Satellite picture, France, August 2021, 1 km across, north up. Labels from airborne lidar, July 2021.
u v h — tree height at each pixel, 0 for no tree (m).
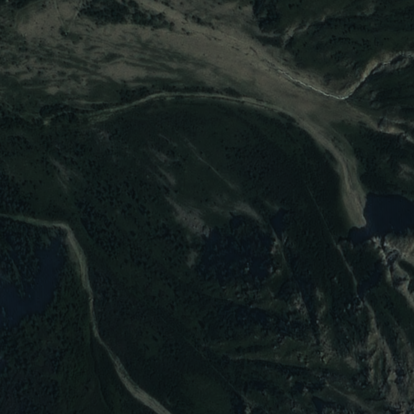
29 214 24
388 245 0
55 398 8
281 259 8
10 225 12
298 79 0
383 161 0
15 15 0
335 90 0
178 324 6
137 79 0
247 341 0
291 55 0
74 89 0
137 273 0
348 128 0
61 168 0
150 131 0
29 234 18
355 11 0
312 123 0
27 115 0
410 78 0
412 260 0
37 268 14
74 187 0
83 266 0
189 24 0
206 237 0
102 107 6
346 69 0
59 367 11
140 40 0
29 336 8
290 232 7
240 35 0
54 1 0
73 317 7
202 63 0
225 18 0
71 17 0
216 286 0
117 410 0
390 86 0
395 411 0
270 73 0
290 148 0
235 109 0
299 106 0
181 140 0
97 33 0
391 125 0
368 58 0
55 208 7
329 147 0
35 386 9
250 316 6
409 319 0
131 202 0
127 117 0
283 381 0
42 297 0
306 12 0
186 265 0
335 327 0
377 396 0
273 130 0
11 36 0
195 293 5
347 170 0
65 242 0
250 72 0
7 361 9
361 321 0
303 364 0
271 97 0
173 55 0
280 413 0
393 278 0
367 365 0
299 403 0
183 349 6
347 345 7
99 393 6
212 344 0
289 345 0
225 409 0
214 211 0
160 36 0
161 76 0
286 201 5
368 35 0
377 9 6
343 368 0
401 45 0
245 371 0
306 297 6
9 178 8
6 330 14
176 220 0
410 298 0
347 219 0
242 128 0
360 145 0
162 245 0
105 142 0
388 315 0
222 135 0
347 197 0
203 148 0
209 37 0
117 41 0
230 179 0
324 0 0
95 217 15
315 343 0
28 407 6
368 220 0
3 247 6
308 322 10
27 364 11
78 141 0
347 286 5
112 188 13
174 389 6
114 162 0
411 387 0
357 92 0
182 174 0
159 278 0
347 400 0
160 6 0
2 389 7
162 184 0
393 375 0
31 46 0
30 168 0
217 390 0
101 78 0
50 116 9
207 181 0
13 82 0
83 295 6
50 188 0
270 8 14
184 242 7
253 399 0
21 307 0
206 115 0
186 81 0
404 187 0
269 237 7
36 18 0
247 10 0
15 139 14
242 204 0
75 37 0
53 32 0
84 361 8
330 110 0
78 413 12
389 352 0
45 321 13
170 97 0
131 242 11
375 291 0
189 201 0
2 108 8
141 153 0
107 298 8
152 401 0
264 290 0
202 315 0
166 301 0
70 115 9
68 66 0
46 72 0
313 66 0
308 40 0
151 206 0
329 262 5
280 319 8
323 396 0
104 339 6
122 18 5
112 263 0
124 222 0
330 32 0
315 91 0
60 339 12
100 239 7
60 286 18
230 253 8
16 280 19
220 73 0
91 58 0
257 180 9
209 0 0
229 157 5
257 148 6
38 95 0
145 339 0
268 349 0
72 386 11
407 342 0
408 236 0
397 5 0
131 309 9
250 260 7
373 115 0
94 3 6
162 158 0
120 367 0
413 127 0
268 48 0
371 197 0
